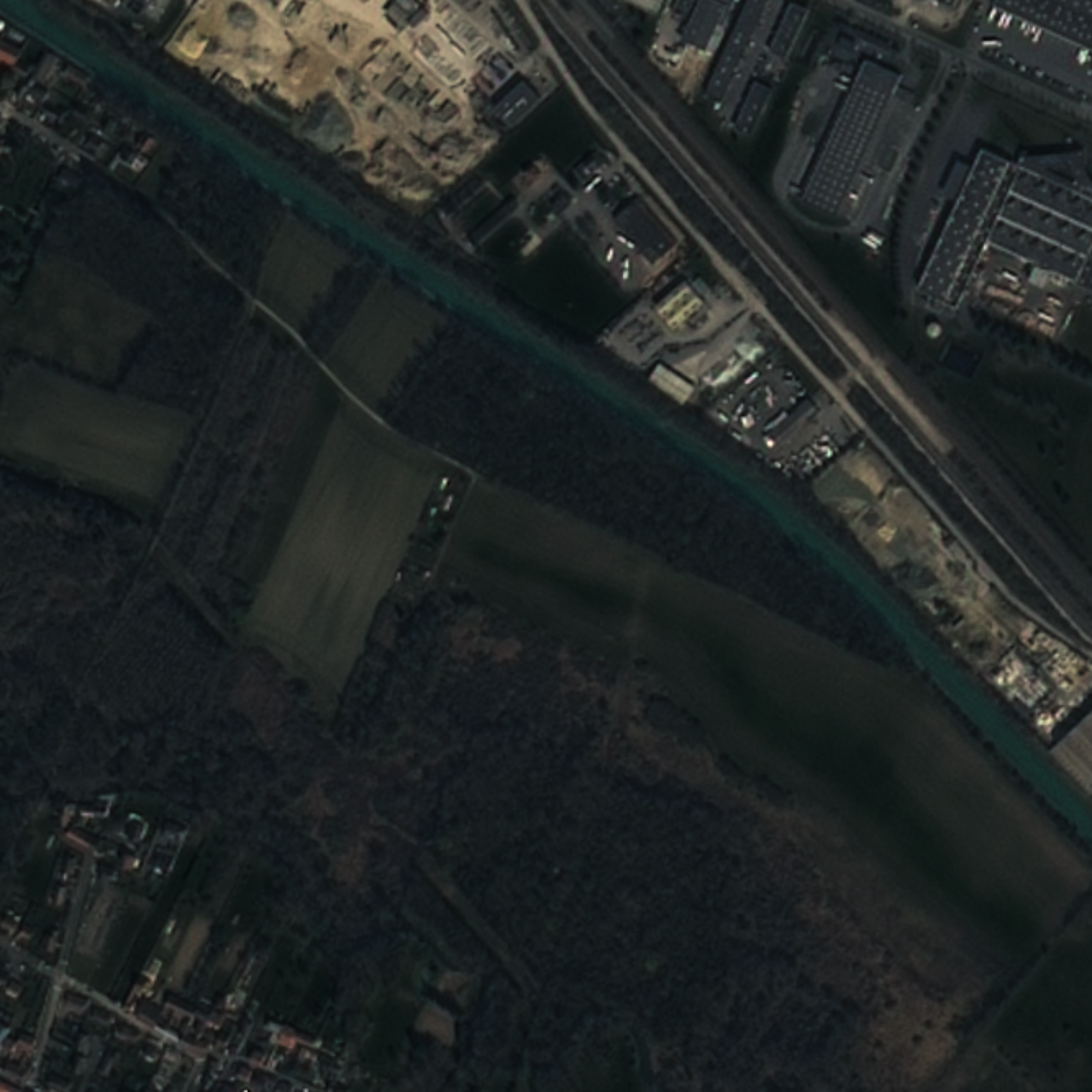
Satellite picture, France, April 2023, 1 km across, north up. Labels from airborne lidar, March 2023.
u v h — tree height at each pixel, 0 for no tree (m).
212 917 0
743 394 0
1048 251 0
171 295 24
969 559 0
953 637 0
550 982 12
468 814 13
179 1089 9
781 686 0
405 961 29
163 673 23
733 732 0
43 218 0
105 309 0
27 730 7
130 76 0
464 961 17
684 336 0
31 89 0
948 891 0
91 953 0
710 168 0
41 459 0
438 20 0
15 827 27
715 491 19
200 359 25
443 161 0
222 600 10
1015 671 0
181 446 0
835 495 0
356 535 0
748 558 23
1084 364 12
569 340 19
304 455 0
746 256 11
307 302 0
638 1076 0
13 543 7
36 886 0
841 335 0
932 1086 0
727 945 17
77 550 14
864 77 0
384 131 0
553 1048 22
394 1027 0
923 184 0
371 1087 5
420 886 20
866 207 0
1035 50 0
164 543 16
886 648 19
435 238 6
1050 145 0
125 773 20
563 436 21
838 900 0
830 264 0
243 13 0
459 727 19
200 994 8
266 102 11
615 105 12
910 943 0
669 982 12
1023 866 0
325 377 0
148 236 23
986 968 0
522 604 0
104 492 0
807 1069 15
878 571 16
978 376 0
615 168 0
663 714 8
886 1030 0
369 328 0
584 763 17
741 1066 27
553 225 0
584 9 0
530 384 21
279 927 15
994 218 0
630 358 0
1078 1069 0
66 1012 0
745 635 0
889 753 0
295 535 0
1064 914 0
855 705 0
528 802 16
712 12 0
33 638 6
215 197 20
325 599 0
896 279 8
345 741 13
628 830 16
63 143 0
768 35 0
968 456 0
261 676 0
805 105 0
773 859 0
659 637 0
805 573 24
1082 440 0
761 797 5
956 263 0
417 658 22
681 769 0
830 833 0
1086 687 0
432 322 0
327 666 0
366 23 0
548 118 0
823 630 17
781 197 0
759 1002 20
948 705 6
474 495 0
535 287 0
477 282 17
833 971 0
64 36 0
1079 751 0
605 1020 22
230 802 21
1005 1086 0
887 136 0
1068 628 8
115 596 13
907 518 0
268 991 0
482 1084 14
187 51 0
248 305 23
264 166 0
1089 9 0
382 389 0
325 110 0
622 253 0
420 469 0
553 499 23
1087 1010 0
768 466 16
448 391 24
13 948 0
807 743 0
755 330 0
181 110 0
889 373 0
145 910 0
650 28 0
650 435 19
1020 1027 0
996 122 0
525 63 0
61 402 0
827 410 0
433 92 0
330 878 9
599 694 0
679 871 11
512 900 9
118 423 0
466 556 0
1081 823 0
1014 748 0
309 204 0
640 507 11
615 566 0
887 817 0
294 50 0
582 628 0
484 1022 20
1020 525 0
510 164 0
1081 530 0
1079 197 0
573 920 14
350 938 18
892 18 0
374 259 13
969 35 0
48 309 0
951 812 0
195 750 14
